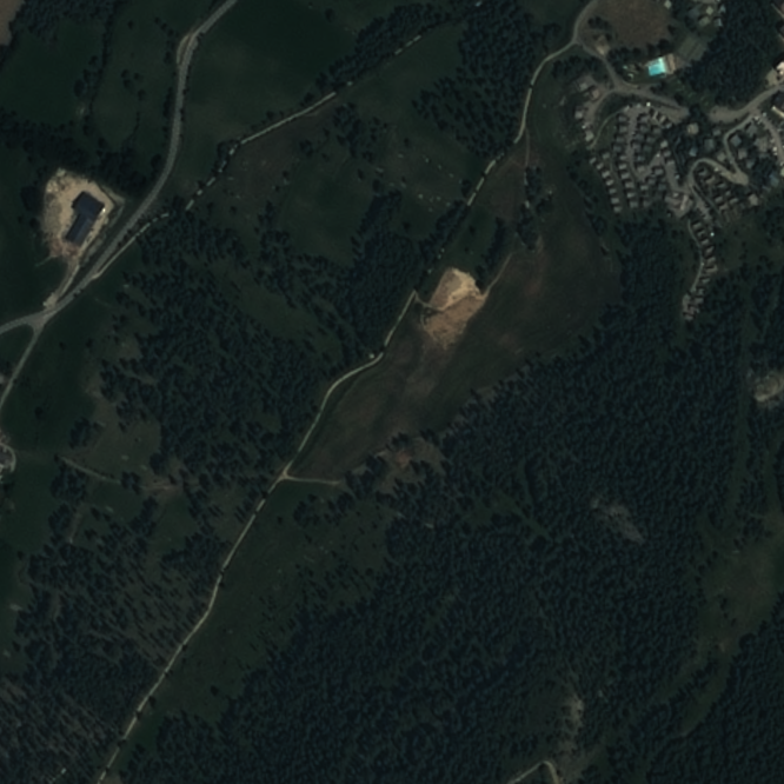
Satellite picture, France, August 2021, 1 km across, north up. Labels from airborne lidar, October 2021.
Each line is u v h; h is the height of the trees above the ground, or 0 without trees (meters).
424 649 19
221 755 17
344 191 0
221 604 0
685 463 15
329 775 23
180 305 18
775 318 7
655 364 24
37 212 18
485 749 19
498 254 21
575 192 0
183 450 24
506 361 0
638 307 21
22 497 0
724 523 15
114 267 0
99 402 0
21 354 0
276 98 0
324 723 13
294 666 27
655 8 0
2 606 0
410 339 0
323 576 0
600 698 17
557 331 0
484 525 0
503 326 0
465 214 11
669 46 16
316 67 0
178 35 8
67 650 25
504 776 15
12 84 0
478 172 0
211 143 0
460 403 0
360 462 0
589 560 21
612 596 18
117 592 13
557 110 0
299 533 0
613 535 12
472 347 0
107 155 8
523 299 0
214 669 0
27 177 0
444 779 22
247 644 0
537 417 21
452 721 22
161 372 24
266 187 0
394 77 0
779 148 0
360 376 0
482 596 23
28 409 0
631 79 22
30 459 0
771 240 9
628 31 0
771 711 21
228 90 0
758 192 10
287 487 0
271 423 0
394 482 0
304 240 0
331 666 24
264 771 16
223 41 0
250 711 13
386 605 12
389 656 20
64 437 0
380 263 29
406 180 6
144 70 0
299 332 0
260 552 0
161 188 0
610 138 0
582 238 0
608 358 25
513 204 0
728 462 14
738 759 17
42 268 0
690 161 12
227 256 7
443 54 0
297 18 0
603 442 23
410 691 24
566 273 0
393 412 0
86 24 11
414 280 25
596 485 9
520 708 15
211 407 26
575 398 19
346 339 24
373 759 26
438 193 0
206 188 16
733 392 15
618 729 20
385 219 26
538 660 20
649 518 13
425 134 0
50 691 24
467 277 0
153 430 0
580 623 14
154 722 0
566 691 8
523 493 25
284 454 21
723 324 27
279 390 19
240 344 24
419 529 19
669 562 11
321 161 0
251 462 19
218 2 7
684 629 19
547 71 0
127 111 0
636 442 19
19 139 21
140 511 0
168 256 15
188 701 0
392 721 24
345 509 21
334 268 24
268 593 0
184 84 0
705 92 19
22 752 17
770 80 0
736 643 0
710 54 7
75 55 0
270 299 0
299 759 19
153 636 0
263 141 0
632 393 20
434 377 0
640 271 18
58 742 18
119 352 0
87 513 0
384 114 0
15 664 0
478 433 27
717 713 11
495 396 0
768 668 16
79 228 0
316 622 22
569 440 15
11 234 0
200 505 27
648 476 19
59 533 15
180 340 26
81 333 0
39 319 0
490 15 15
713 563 9
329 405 0
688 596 14
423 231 0
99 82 9
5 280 0
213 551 23
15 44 10
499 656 21
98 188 0
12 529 0
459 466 24
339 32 0
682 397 10
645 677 24
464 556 22
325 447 0
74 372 0
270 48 0
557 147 0
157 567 0
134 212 0
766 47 25
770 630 15
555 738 8
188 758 20
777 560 0
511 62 9
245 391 21
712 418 15
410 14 17
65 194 0
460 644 19
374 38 21
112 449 0
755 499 17
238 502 0
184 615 25
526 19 12
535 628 11
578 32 0
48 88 0
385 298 28
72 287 0
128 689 22
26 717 27
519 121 13
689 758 7
